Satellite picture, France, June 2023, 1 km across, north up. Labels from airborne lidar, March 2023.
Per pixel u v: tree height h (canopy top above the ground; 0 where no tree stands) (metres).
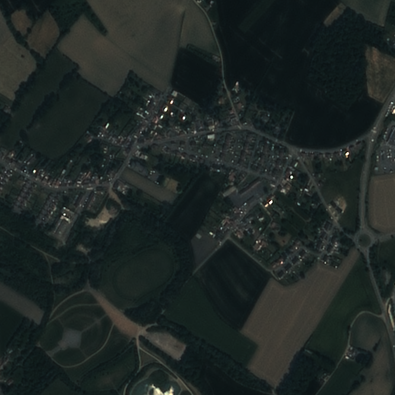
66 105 0
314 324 0
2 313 0
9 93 0
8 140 0
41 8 0
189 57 0
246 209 0
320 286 0
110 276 0
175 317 0
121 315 0
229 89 0
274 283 0
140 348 0
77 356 0
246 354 0
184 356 14
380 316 0
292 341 0
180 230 0
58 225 0
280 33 0
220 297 0
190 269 12
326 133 0
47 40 0
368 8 0
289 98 0
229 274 0
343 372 0
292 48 0
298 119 0
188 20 0
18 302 0
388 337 0
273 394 0
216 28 0
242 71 0
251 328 0
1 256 16
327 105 0
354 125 0
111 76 0
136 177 0
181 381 0
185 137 0
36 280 14
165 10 0
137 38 0
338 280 0
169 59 0
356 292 0
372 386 0
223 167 10
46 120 0
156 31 0
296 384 25
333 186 0
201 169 9
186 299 0
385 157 0
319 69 10
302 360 28
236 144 0
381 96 0
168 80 0
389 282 0
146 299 0
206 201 0
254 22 0
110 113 10
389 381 0
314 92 0
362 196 0
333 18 0
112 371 0
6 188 0
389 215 0
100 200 0
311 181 0
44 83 0
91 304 0
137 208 23
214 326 0
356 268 0
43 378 12
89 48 0
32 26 0
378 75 0
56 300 0
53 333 0
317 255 0
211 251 0
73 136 0
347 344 0
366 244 0
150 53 0
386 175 0
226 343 0
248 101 9
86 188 0
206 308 0
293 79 0
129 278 0
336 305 0
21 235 12
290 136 0
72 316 0
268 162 0
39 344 0
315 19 0
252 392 0
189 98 0
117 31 0
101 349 0
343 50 20
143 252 0
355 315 0
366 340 0
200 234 0
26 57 0
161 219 6
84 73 0
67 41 0
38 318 0
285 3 0
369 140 0
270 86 0
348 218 0
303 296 0
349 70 21
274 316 0
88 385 0
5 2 0
